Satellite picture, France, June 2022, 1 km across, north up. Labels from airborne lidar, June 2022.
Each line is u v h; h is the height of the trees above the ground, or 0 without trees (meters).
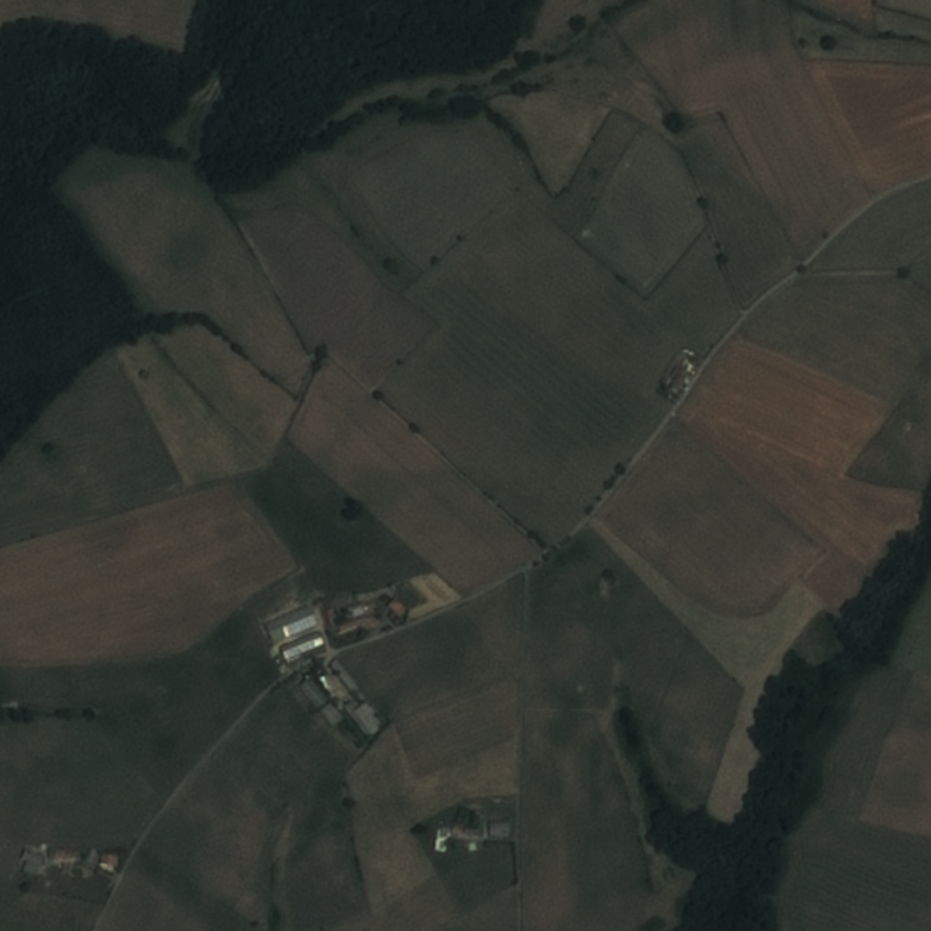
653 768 0
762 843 20
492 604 0
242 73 19
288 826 0
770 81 0
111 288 10
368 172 0
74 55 22
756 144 0
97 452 0
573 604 0
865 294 0
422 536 0
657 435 0
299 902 0
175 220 0
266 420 0
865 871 0
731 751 0
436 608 0
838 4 0
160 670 0
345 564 0
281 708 0
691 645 0
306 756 0
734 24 0
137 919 0
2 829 0
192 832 0
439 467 0
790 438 0
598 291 0
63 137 20
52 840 0
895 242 0
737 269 0
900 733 0
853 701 0
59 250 8
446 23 18
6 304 9
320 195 0
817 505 0
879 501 0
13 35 19
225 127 22
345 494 0
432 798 0
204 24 17
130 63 23
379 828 0
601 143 0
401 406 0
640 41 0
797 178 0
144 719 0
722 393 0
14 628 0
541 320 0
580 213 0
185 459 0
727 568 0
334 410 0
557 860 0
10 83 25
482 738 0
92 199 0
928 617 0
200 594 0
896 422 0
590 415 0
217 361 0
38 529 0
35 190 16
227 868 0
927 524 9
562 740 0
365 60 22
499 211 0
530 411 0
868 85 0
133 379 0
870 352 0
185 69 20
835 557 0
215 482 0
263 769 0
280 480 0
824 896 0
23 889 9
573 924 0
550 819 0
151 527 0
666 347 0
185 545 0
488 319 0
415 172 0
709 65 0
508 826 0
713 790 0
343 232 0
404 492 0
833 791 0
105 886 0
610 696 0
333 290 0
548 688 0
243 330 0
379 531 0
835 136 0
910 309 0
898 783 0
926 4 0
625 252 0
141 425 0
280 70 16
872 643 15
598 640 0
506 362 0
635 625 0
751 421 0
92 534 0
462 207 0
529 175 0
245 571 0
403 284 0
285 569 0
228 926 0
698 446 0
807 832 0
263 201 0
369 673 0
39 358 8
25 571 0
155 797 0
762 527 0
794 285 0
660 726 0
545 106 0
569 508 0
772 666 0
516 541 0
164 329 18
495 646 0
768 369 0
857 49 0
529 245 0
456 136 0
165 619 0
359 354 0
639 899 0
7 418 12
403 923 0
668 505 0
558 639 0
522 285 0
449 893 0
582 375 0
